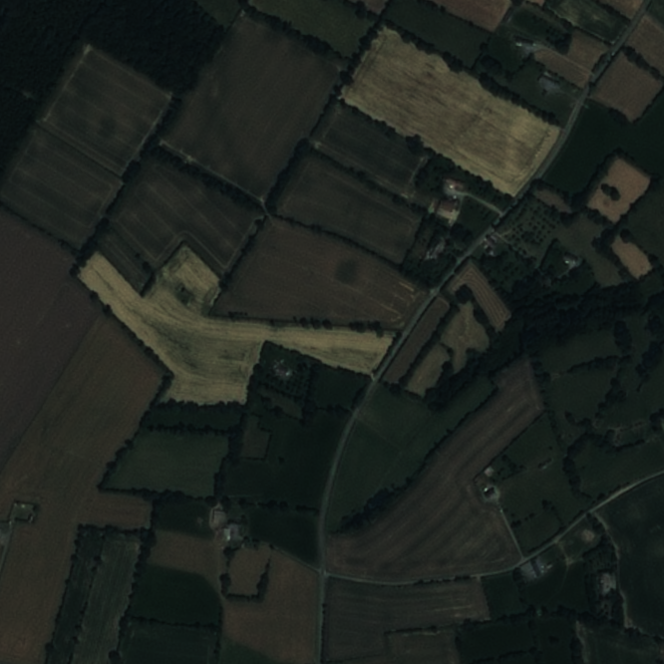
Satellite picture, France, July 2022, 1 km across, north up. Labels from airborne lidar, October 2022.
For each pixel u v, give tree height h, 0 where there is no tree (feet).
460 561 0
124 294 0
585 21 0
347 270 0
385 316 0
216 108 0
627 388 0
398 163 0
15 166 0
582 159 0
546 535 0
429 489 0
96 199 0
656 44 0
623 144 0
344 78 52
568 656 0
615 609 26
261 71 0
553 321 92
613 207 0
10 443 0
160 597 0
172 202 0
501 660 25
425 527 0
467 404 0
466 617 0
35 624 0
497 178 0
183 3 51
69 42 38
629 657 0
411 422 0
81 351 0
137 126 0
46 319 0
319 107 0
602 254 60
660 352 65
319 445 0
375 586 0
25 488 0
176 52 70
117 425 0
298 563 0
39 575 0
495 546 0
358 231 0
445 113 0
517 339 0
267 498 0
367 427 0
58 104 0
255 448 0
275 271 0
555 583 0
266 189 0
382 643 0
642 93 0
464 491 0
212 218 0
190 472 0
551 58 0
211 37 56
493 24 0
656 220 0
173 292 0
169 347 0
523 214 19
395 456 0
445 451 0
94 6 38
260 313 0
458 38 0
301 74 0
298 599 0
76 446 0
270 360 0
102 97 0
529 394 0
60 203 0
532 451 0
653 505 0
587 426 56
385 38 0
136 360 0
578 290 0
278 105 0
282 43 0
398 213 0
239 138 0
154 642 0
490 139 0
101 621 0
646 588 0
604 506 0
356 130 0
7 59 36
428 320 0
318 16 0
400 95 0
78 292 0
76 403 0
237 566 0
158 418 0
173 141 0
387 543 0
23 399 0
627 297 57
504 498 0
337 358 0
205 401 0
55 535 0
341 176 0
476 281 0
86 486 0
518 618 38
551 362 0
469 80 0
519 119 0
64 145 0
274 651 0
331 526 0
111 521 0
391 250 0
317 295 0
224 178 0
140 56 57
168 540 0
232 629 0
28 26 44
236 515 0
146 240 0
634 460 0
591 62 0
